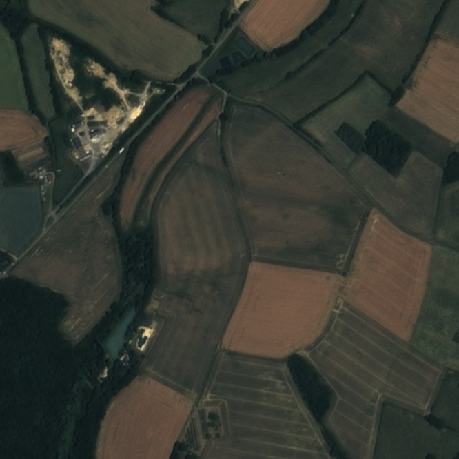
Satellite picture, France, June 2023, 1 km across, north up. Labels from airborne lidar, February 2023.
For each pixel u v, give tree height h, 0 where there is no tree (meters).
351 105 0
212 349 0
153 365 0
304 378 14
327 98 0
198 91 0
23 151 0
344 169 0
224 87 10
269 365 0
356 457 0
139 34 0
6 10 15
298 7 0
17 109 0
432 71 0
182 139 0
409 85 0
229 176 0
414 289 0
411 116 0
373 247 0
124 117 0
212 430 0
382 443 0
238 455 0
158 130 0
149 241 13
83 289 0
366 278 0
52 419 15
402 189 0
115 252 0
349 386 0
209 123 0
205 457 0
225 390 0
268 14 0
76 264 0
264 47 0
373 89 0
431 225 0
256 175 0
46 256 0
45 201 0
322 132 0
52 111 0
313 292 0
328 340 0
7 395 15
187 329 0
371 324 0
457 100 0
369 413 0
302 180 0
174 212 0
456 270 0
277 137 0
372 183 0
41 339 20
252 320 0
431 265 0
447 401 0
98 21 0
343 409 0
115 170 0
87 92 0
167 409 0
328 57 0
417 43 0
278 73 0
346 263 0
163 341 0
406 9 0
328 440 8
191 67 13
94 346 7
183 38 0
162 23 0
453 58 0
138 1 0
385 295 0
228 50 0
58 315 17
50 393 9
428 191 0
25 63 9
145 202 0
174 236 0
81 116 0
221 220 0
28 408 17
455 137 0
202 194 0
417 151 0
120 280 0
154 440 0
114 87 0
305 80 0
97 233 0
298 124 8
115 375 23
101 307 0
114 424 0
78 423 11
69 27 0
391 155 11
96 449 9
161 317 0
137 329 10
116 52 0
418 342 0
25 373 18
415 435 0
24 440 12
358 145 17
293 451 0
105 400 16
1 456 16
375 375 0
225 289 0
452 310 0
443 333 0
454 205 0
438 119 0
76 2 0
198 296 0
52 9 0
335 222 0
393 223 0
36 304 19
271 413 0
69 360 14
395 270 0
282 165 0
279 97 0
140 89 0
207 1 0
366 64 0
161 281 0
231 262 0
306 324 0
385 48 0
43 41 8
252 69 0
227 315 0
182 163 0
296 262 0
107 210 10
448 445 0
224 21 12
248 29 0
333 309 0
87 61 0
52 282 0
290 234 0
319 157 0
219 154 0
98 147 0
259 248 0
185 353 0
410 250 0
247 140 0
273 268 0
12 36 11
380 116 0
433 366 0
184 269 0
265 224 0
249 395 0
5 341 25
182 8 0
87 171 0
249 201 0
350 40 0
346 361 0
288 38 0
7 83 0
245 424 0
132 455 0
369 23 0
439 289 0
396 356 0
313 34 15
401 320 0
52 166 0
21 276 0
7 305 19
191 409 0
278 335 0
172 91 10
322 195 0
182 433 0
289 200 0
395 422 0
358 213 0
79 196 0
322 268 0
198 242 0
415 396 0
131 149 13
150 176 0
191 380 0
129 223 0
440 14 7
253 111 0
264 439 0
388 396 0
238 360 0
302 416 0
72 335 0
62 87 0
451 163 16
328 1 0
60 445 7
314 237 0
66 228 0
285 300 0
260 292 0
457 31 0
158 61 0
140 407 0
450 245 0
